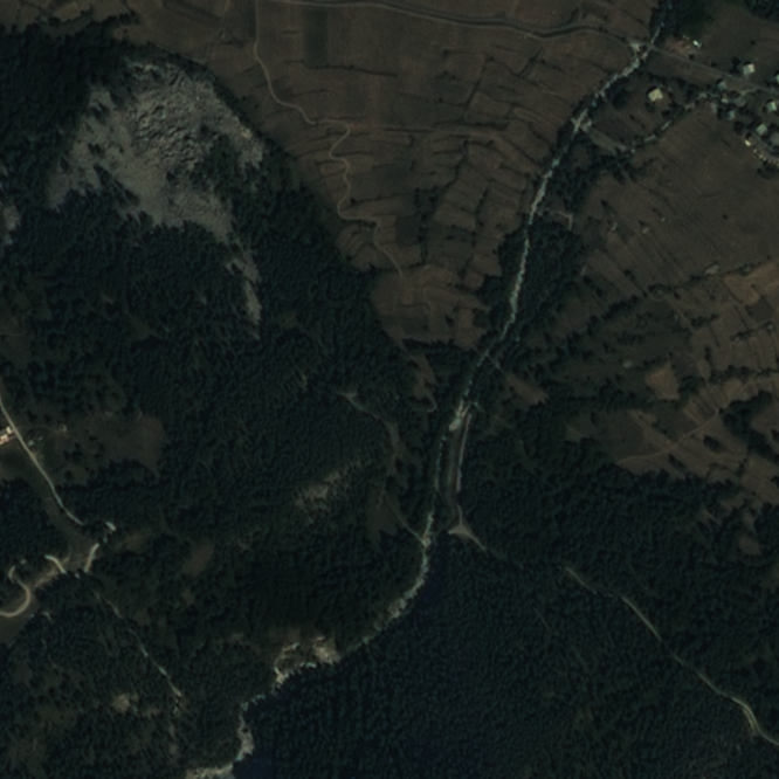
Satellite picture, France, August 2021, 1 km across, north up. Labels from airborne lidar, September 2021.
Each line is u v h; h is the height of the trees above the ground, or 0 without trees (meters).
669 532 17
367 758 27
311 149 0
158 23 0
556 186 14
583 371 0
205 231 9
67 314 25
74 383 17
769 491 0
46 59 15
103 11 0
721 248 0
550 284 12
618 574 16
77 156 0
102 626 19
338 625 22
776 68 0
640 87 0
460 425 0
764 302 0
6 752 17
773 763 23
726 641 21
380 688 11
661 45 14
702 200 0
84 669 22
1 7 0
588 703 23
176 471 23
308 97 0
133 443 0
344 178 0
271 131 0
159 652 22
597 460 17
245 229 6
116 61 6
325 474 8
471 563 27
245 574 9
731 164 0
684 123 0
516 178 0
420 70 0
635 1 0
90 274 17
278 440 25
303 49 0
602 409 7
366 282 21
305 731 24
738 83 0
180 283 26
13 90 22
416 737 6
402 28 0
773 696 25
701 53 0
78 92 15
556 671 17
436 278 0
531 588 19
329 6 0
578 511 22
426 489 21
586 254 11
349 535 21
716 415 0
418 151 0
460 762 10
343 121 0
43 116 26
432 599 12
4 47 26
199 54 0
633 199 0
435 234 0
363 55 0
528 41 0
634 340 8
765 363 0
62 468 0
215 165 7
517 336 14
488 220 0
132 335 25
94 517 22
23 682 0
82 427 0
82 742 25
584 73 0
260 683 13
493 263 0
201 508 9
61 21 10
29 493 24
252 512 20
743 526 9
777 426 0
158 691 13
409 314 0
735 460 0
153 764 25
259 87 0
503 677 19
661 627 12
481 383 14
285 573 27
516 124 0
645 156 0
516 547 27
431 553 9
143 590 8
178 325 19
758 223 0
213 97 0
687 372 0
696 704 21
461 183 0
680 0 12
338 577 19
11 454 0
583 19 0
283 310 24
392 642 22
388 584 26
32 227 17
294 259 22
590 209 0
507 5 0
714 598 21
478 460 20
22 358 0
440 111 0
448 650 10
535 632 21
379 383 20
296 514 13
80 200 18
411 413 20
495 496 24
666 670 24
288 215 18
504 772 16
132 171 0
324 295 26
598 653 22
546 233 9
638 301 13
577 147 15
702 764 11
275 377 23
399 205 0
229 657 22
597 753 24
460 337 0
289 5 0
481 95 0
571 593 22
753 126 7
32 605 0
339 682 9
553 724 21
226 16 0
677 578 23
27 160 21
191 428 19
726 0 13
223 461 21
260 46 0
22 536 17
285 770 25
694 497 19
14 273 21
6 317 0
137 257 19
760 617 15
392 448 21
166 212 0
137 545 0
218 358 26
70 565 0
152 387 22
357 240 0
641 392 0
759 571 10
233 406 21
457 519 0
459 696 14
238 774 0
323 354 7
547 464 22
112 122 0
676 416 0
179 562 17
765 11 18
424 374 0
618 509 26
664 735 19
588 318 0
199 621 24
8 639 0
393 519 0
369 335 23
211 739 22
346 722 13
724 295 0
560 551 12
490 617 23
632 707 26
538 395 0
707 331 0
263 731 19
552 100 0
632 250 0
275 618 22
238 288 15
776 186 0
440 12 0
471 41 0
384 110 0
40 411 0
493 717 10
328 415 23
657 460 0
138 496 21
